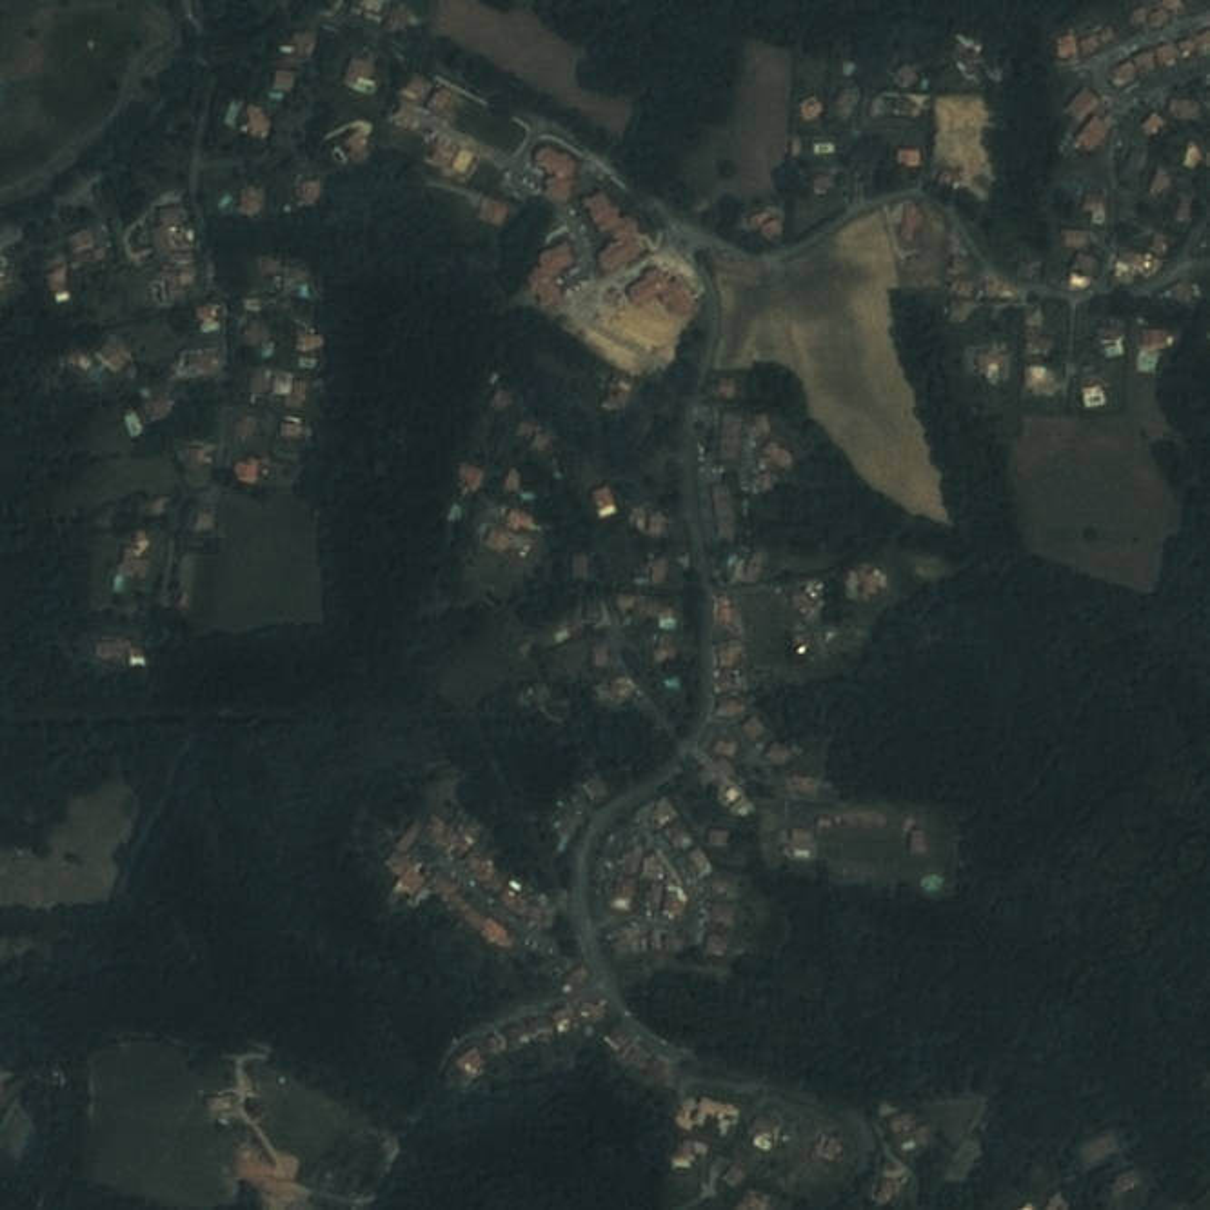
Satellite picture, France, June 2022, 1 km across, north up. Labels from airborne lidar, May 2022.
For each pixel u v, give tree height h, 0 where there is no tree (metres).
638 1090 6
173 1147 0
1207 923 14
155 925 18
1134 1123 17
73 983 15
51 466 32
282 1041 19
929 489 0
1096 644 21
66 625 20
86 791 19
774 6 29
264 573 0
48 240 14
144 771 20
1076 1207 17
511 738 18
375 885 10
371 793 15
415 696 16
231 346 11
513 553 0
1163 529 0
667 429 16
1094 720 15
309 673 26
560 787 15
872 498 24
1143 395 0
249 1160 0
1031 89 18
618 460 23
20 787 24
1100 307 12
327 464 21
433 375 26
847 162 19
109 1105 0
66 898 0
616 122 0
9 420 28
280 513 0
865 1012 14
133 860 15
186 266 0
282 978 20
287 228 17
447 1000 18
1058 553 0
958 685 16
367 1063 17
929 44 18
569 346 18
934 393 26
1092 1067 26
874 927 14
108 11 0
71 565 20
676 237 0
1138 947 17
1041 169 17
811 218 0
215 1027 17
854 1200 17
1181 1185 21
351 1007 20
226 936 21
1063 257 0
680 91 21
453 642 17
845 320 0
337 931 18
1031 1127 23
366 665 25
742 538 8
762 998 21
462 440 13
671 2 23
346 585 21
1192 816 10
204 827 16
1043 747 21
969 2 27
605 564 18
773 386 14
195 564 0
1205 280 0
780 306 0
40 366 16
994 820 14
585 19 21
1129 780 13
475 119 0
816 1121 0
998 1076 14
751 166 0
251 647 21
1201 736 21
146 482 0
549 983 13
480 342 24
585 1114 21
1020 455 0
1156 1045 7
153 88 15
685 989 16
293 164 8
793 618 0
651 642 0
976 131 0
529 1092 17
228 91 11
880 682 17
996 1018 12
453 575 16
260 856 24
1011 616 21
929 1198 24
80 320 14
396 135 0
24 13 0
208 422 19
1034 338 0
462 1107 11
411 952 22
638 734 20
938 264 0
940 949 12
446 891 0
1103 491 0
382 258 28
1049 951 11
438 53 24
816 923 17
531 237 22
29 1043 27
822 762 0
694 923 0
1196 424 23
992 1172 21
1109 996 16
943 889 0
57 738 20
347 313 26
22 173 0
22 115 0
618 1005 0
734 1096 0
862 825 0
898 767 15
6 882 0
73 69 0
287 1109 0
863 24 27
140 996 18
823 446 15
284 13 22
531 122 0
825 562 0
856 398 0
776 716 11
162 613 13
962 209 16
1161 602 17
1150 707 18
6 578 31
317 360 0
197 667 25
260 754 8
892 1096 17
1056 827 15
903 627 19
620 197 0
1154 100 0
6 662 27
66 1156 18
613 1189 21
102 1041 14
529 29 0
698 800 20
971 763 14
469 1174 20
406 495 22
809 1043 25
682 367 14
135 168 11
